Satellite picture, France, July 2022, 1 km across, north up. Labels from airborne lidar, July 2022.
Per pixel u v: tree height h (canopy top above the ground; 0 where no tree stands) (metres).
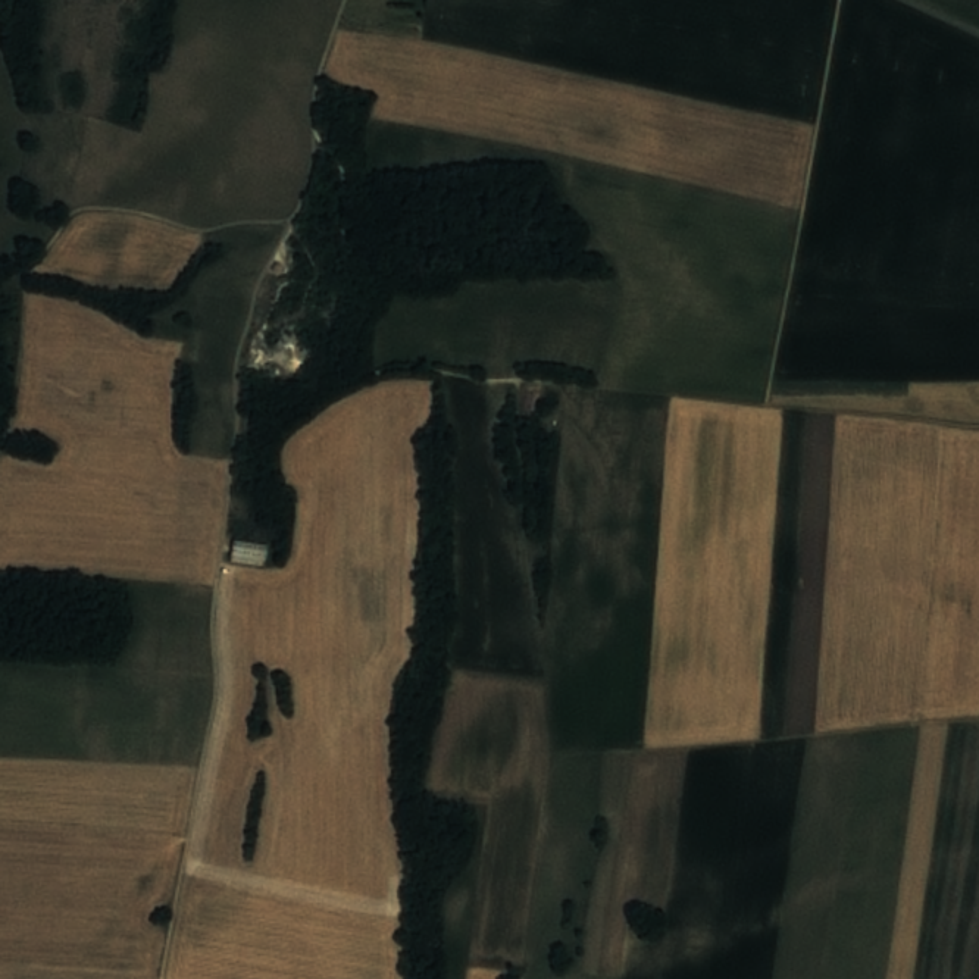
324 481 0
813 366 0
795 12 0
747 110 0
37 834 0
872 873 0
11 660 12
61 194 0
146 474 0
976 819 0
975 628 0
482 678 0
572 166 0
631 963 0
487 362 0
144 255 0
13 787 0
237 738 0
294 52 0
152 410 0
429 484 14
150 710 0
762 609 0
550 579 10
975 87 0
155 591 0
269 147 0
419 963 19
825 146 0
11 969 0
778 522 0
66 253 0
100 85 0
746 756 0
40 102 7
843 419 0
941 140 0
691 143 0
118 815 0
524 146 0
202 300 0
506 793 0
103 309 7
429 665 15
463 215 22
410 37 0
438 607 20
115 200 0
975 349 0
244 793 0
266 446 14
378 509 0
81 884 0
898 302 0
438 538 19
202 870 0
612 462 0
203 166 0
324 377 13
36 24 7
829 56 0
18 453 15
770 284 0
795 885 0
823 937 0
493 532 0
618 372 0
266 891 0
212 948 0
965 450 0
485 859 0
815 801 0
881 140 0
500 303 0
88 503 0
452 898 0
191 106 0
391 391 0
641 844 0
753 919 0
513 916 0
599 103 0
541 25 0
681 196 0
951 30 0
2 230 0
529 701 0
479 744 0
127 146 0
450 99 0
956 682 0
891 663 0
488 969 0
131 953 0
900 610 0
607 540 0
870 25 0
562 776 0
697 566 0
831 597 0
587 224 14
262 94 0
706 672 0
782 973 0
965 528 0
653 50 0
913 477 0
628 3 0
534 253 22
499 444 12
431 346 0
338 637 0
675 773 0
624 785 0
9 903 0
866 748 0
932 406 0
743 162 0
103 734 0
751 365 0
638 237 0
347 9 0
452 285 17
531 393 0
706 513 0
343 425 0
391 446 0
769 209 0
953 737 0
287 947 0
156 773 0
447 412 7
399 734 15
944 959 0
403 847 13
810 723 0
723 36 0
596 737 0
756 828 0
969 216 0
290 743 0
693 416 0
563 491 0
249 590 0
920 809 0
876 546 0
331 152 14
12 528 0
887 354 0
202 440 0
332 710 0
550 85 0
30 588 24
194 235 0
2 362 17
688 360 0
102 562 0
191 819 0
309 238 7
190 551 0
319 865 0
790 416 0
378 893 0
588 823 0
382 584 0
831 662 0
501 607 0
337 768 0
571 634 0
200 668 0
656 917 15
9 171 0
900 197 0
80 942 0
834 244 0
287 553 13
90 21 0
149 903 0
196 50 0
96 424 0
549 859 0
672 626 0
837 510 0
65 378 0
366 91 7
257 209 0
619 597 0
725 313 0
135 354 0
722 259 0
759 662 0
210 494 0
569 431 0
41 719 0
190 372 7
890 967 0
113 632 9
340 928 0
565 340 0
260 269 0
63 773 0
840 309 0
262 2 0
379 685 0
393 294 18
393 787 12
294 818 0
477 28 0
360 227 20
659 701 0
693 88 0
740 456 0
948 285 0
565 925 7
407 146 0
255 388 10
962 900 0
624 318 0
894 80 0
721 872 0
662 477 0
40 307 0
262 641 0
